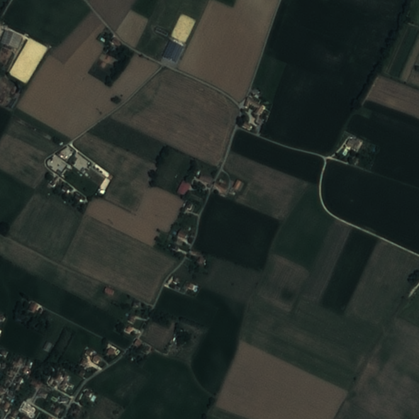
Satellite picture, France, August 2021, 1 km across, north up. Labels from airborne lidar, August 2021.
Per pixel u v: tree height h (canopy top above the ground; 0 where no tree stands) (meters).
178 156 0
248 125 0
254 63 0
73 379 0
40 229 0
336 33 0
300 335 0
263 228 0
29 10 0
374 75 14
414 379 0
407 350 0
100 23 0
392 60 0
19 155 0
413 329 0
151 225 0
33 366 6
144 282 0
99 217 0
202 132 0
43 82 0
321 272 0
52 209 0
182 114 0
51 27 0
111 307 0
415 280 19
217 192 12
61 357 8
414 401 0
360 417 0
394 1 0
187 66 0
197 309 0
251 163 0
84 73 0
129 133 0
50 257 0
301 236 0
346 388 0
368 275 0
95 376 0
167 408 0
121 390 0
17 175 0
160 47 0
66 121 0
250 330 0
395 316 0
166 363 0
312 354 0
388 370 0
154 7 0
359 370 0
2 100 0
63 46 0
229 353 0
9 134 0
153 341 0
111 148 0
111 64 0
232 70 0
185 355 0
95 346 0
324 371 0
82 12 0
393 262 0
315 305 0
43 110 0
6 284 0
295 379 0
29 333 0
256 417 0
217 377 0
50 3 0
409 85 0
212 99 0
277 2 0
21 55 0
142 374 0
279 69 0
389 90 0
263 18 0
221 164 0
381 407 0
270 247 0
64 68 0
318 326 0
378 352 0
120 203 0
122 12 0
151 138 0
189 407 0
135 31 0
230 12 0
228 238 0
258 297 0
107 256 0
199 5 0
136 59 0
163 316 6
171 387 0
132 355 8
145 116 0
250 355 0
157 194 0
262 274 0
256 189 0
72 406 8
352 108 11
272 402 0
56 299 0
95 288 0
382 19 0
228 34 0
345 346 0
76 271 0
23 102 0
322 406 0
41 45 0
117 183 0
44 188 0
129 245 0
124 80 0
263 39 0
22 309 6
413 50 0
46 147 0
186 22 0
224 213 0
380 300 0
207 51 0
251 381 0
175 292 0
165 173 0
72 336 7
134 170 0
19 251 0
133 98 0
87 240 0
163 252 0
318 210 0
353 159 9
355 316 0
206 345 0
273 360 0
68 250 0
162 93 0
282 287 0
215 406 0
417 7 0
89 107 0
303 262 0
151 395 0
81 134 0
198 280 0
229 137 0
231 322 0
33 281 0
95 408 0
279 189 0
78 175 0
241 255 0
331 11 0
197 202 7
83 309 0
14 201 0
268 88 0
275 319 0
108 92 0
